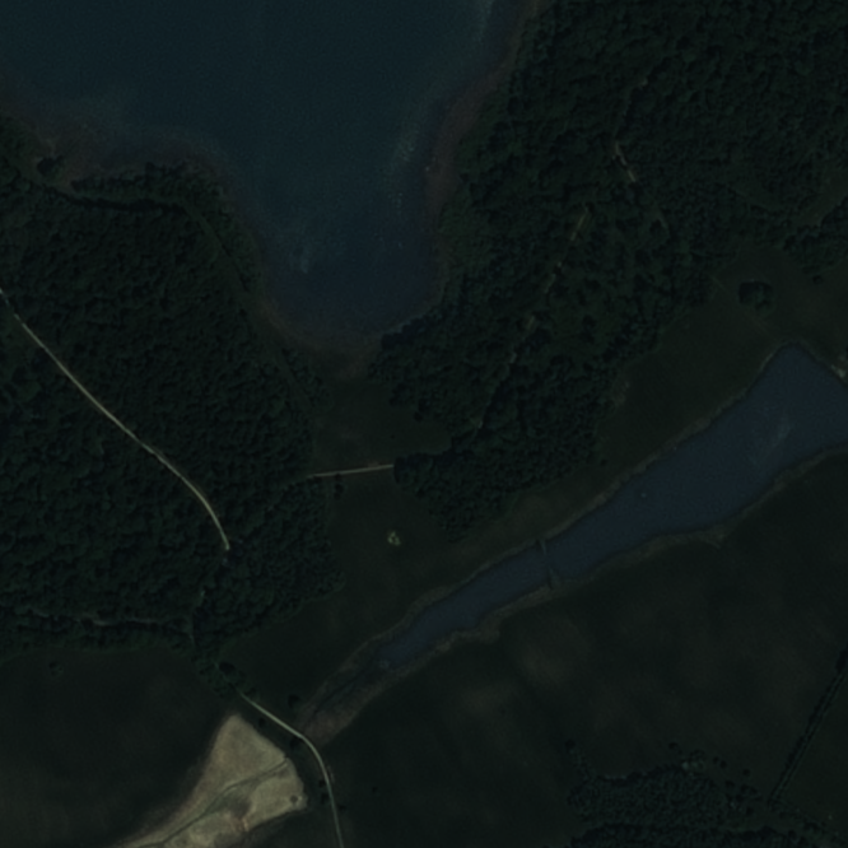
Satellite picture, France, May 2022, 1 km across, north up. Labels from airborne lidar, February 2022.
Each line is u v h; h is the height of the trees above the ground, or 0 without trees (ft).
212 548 72
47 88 0
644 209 91
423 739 0
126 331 52
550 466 82
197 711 0
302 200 0
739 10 94
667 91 41
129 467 65
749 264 0
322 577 52
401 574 0
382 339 0
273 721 0
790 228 52
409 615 0
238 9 0
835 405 0
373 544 0
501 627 0
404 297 0
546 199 95
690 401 0
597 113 81
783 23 79
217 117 0
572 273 84
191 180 69
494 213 75
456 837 0
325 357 0
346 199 0
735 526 0
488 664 0
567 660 0
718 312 0
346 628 0
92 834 0
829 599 0
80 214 82
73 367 60
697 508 0
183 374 83
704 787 54
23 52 0
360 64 0
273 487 71
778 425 0
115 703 0
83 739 0
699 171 64
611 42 88
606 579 0
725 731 0
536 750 0
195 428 75
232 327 90
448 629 0
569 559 0
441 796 0
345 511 0
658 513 0
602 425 0
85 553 91
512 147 86
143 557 87
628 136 62
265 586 97
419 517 0
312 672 0
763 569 0
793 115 35
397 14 0
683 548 0
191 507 72
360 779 0
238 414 79
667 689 0
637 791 67
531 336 0
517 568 0
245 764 0
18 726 0
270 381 82
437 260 0
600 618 0
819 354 0
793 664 0
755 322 0
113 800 0
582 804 57
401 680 0
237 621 77
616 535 0
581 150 92
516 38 0
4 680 0
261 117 0
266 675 0
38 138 0
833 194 0
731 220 83
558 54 84
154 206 81
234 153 0
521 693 0
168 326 62
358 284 0
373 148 0
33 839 0
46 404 78
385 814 0
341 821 0
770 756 0
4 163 51
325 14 0
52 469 77
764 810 0
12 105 0
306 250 0
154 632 64
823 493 0
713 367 0
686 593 0
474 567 0
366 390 0
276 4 0
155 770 0
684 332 0
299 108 0
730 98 65
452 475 88
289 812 0
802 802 0
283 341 0
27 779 0
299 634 0
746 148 61
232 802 0
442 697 0
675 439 0
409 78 0
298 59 0
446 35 0
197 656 62
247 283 60
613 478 0
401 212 0
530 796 0
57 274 80
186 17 0
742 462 0
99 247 82
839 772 0
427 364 83
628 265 83
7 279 31
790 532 0
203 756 0
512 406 60
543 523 0
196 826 0
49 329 77
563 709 0
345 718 0
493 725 0
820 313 0
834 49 81
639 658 0
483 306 84
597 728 0
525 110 72
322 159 0
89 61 0
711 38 80
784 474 0
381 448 0
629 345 67
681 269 83
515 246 81
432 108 0
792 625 0
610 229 87
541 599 0
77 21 0
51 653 0
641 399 0
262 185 0
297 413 74
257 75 0
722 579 0
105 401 48
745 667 0
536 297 94
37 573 71
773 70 91
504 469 53
